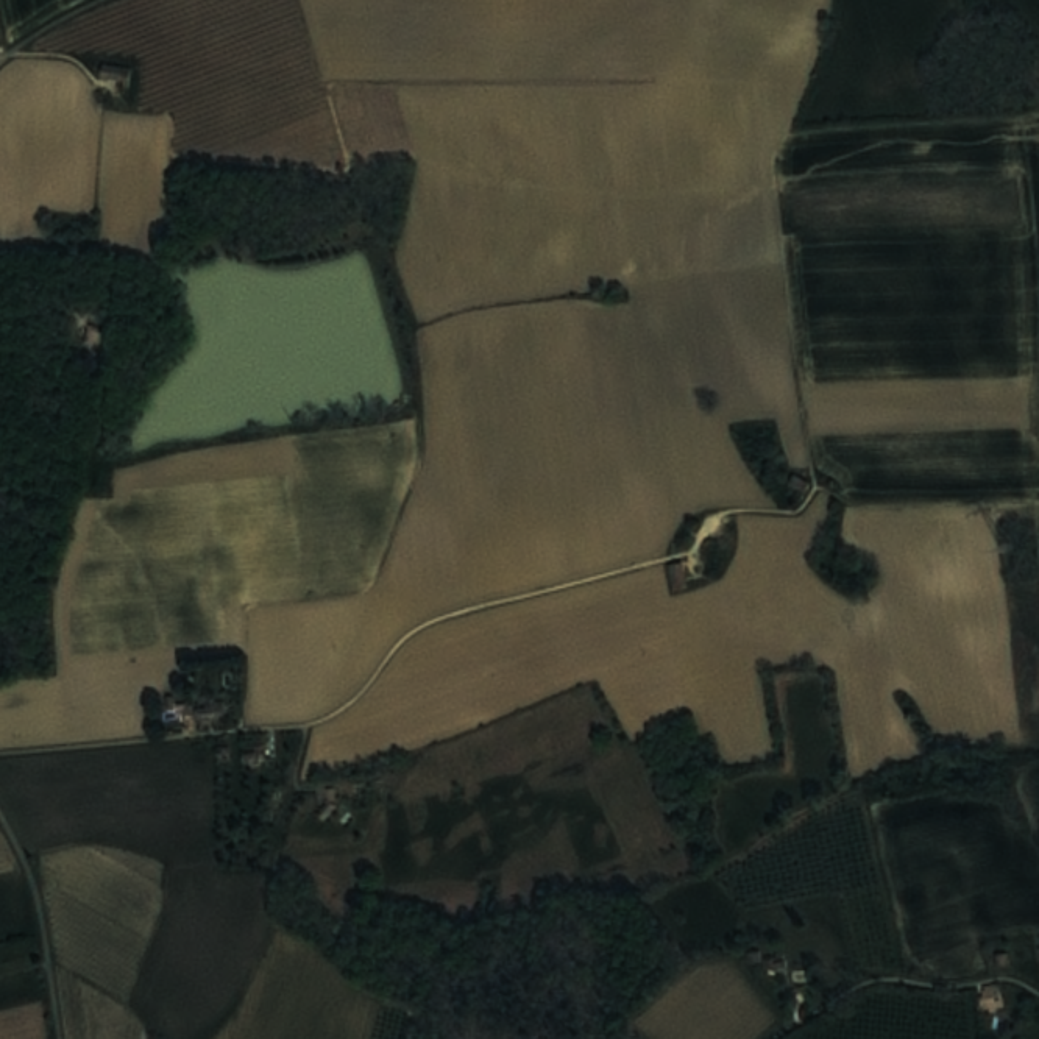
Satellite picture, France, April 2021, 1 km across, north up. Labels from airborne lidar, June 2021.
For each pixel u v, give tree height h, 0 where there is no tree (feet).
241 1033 0
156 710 43
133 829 0
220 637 0
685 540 38
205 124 0
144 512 0
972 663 0
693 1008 0
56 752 0
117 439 27
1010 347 0
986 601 0
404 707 0
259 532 0
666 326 0
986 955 36
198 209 80
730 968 0
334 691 0
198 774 0
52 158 0
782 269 0
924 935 0
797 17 0
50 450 77
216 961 0
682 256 0
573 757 0
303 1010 0
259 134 0
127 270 61
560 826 0
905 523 0
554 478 0
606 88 0
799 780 0
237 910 0
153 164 0
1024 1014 36
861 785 30
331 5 0
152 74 0
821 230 0
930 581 0
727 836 0
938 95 72
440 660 0
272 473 0
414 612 0
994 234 0
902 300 0
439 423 0
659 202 0
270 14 0
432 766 0
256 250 66
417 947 89
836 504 35
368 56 0
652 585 0
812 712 0
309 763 0
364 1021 0
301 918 65
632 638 0
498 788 0
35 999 0
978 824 0
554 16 0
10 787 0
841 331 0
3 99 0
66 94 0
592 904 75
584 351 0
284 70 0
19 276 65
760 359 0
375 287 0
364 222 40
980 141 0
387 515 0
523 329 0
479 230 0
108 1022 0
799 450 0
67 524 91
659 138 0
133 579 0
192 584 0
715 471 0
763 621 0
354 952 82
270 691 0
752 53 0
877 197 0
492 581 0
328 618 0
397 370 0
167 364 69
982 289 0
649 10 0
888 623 0
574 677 0
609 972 50
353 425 53
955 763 74
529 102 0
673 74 0
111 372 86
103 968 0
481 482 0
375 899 75
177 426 0
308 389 0
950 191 0
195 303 0
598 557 0
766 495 34
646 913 77
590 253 0
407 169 47
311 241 60
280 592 0
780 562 0
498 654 0
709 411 45
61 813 0
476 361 0
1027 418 0
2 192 0
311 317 0
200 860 0
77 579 0
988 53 61
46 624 80
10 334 73
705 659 0
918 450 0
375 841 0
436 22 0
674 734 66
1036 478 0
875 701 0
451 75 0
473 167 0
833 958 0
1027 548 59
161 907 0
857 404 0
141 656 0
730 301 0
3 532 84
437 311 0
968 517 0
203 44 0
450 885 0
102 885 0
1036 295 0
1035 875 0
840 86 0
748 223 0
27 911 0
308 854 0
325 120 0
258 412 0
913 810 0
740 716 0
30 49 0
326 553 0
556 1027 65
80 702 0
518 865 0
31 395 79
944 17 0
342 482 0
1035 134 0
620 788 0
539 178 0
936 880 0
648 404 0
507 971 60
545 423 0
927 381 0
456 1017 53
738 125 0
